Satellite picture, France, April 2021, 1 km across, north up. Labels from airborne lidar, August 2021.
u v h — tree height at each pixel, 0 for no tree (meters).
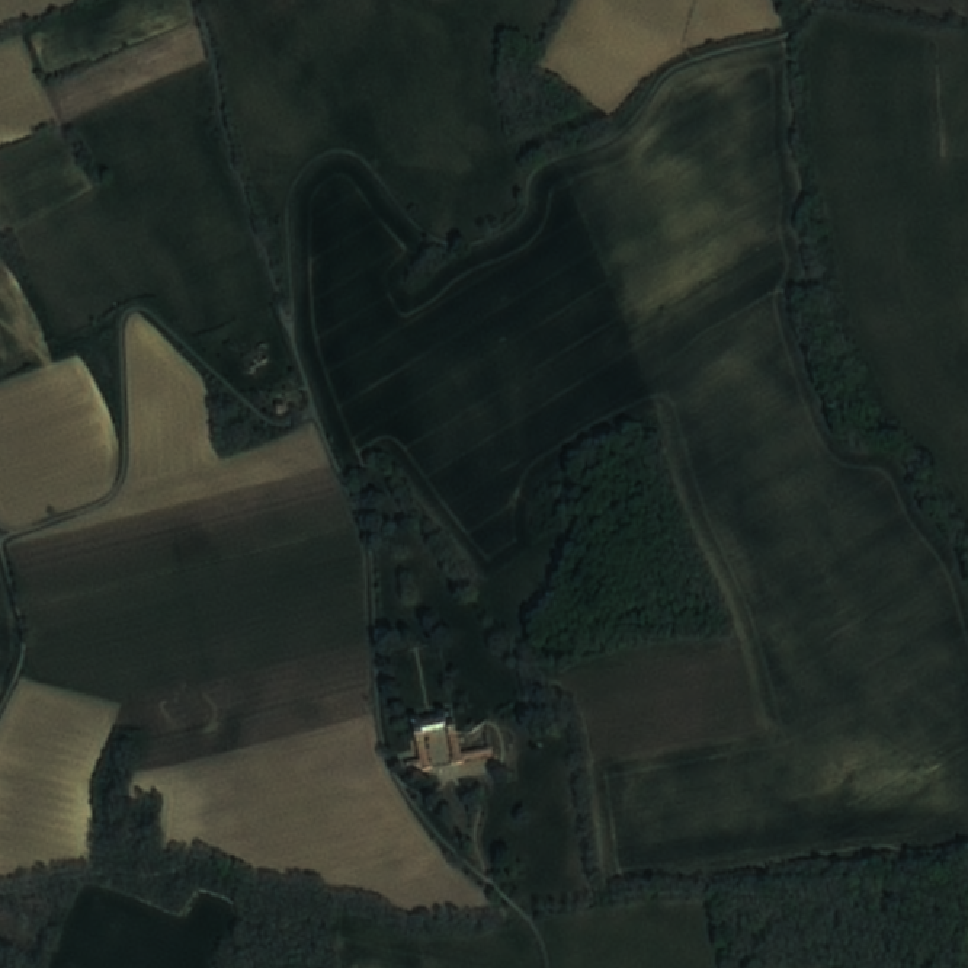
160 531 0
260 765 0
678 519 16
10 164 0
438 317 0
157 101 0
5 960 23
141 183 0
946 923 27
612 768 0
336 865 0
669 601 17
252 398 8
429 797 14
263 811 0
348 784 0
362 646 0
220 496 0
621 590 21
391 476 12
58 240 0
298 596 0
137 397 0
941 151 0
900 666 0
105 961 0
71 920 0
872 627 0
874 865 23
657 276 0
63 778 0
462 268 0
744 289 0
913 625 0
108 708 0
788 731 0
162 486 0
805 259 13
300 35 0
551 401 0
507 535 0
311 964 25
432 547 19
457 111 0
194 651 0
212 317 0
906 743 0
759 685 0
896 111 0
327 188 0
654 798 0
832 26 0
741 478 0
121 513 0
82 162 12
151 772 0
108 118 0
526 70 19
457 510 0
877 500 0
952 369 0
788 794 0
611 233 0
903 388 0
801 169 7
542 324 0
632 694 0
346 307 0
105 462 0
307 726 0
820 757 0
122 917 0
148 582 0
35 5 0
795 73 12
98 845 14
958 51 0
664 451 19
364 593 0
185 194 0
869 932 21
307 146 0
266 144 0
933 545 0
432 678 0
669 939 0
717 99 0
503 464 0
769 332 0
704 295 0
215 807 0
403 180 0
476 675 0
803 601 0
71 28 0
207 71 0
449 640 23
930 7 0
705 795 0
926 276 0
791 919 19
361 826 0
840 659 0
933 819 0
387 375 0
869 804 0
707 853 0
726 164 0
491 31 0
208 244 0
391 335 0
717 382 0
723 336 0
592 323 0
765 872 8
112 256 0
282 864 0
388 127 0
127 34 0
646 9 0
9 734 0
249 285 0
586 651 16
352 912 18
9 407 0
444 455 0
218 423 14
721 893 22
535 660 23
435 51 0
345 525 0
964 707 0
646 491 22
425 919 17
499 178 0
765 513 0
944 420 0
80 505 0
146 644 0
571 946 0
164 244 0
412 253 0
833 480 0
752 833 0
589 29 0
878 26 0
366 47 0
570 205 0
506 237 0
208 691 0
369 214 0
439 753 0
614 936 0
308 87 0
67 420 0
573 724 17
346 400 0
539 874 0
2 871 0
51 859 0
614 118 6
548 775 0
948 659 0
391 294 0
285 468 0
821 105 0
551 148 21
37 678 0
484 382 0
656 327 0
